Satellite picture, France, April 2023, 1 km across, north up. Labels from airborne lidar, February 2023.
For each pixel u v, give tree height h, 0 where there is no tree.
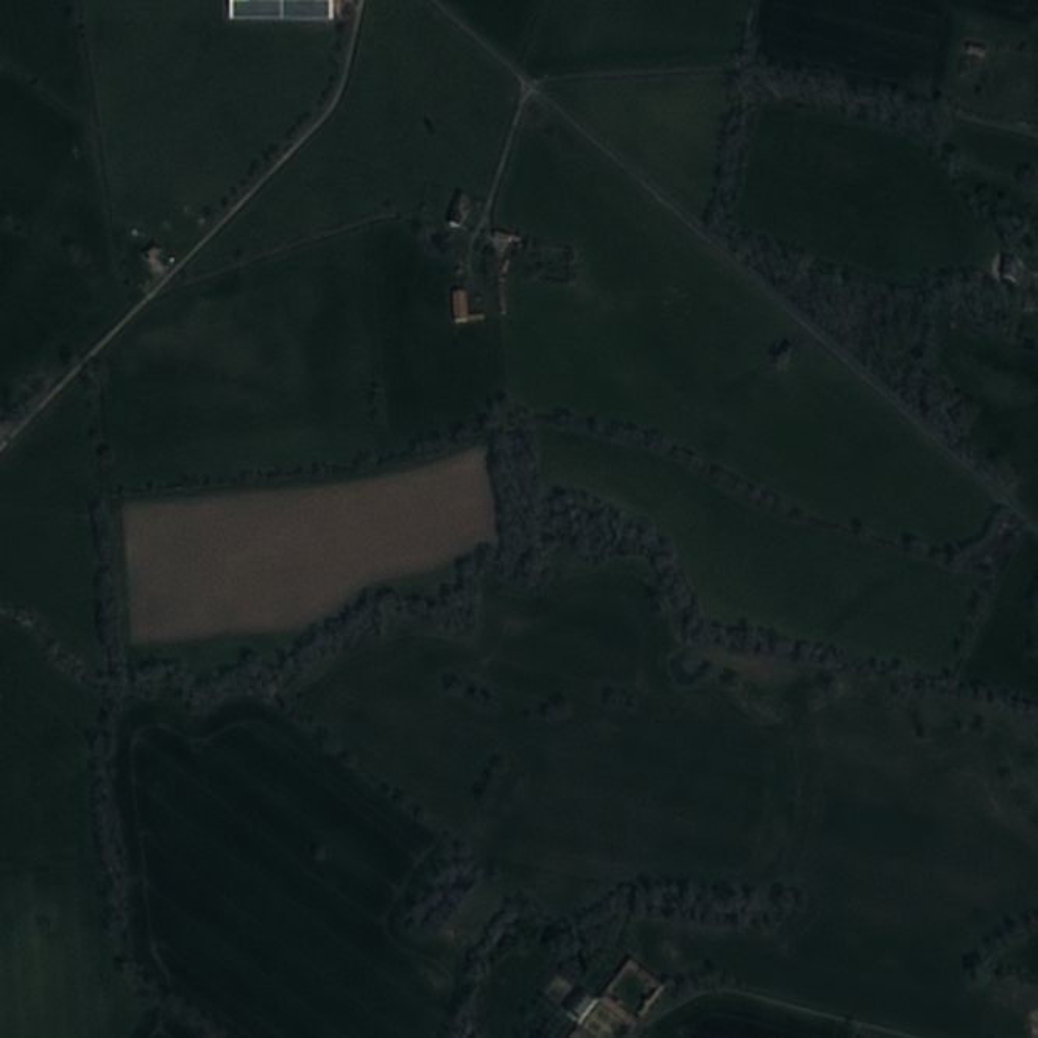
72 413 0
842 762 0
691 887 9
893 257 0
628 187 0
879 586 0
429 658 0
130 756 0
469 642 0
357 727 0
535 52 0
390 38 0
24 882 0
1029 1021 0
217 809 0
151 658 0
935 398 23
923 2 0
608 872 0
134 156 0
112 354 0
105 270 0
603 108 0
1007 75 0
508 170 0
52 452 0
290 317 0
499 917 6
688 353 0
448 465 0
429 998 0
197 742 0
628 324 0
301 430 0
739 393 0
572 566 0
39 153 0
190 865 0
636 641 0
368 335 0
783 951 0
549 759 0
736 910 25
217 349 0
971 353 0
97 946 0
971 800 0
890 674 13
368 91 0
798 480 0
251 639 0
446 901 12
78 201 0
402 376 0
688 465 13
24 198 0
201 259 0
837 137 0
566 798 0
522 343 0
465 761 0
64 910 0
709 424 0
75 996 0
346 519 0
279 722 0
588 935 9
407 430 0
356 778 0
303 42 0
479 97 0
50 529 0
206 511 0
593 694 0
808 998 0
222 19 0
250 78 0
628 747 0
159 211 0
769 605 0
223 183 0
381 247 0
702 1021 0
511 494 20
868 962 0
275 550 0
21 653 0
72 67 0
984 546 13
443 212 0
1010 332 20
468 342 0
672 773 0
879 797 0
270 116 0
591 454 0
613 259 0
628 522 9
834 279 17
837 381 0
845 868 0
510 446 16
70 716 0
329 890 0
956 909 0
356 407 0
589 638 0
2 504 0
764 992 0
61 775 0
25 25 0
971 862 0
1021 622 0
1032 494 0
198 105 0
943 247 0
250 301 0
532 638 0
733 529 0
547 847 0
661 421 0
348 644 14
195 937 0
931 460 0
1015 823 0
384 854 0
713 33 0
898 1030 0
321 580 0
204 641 0
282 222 0
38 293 0
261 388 0
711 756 0
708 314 0
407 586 0
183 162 0
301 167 0
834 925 0
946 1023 0
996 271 0
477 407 0
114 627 22
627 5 0
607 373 0
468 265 0
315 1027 0
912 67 0
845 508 0
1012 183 0
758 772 0
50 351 0
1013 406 0
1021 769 0
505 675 0
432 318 0
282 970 0
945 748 0
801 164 0
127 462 0
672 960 0
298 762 0
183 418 0
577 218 0
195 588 0
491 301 0
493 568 10
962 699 15
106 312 0
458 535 0
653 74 0
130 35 0
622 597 0
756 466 0
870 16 0
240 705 0
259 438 0
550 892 0
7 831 0
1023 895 0
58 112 0
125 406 0
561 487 0
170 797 0
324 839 0
